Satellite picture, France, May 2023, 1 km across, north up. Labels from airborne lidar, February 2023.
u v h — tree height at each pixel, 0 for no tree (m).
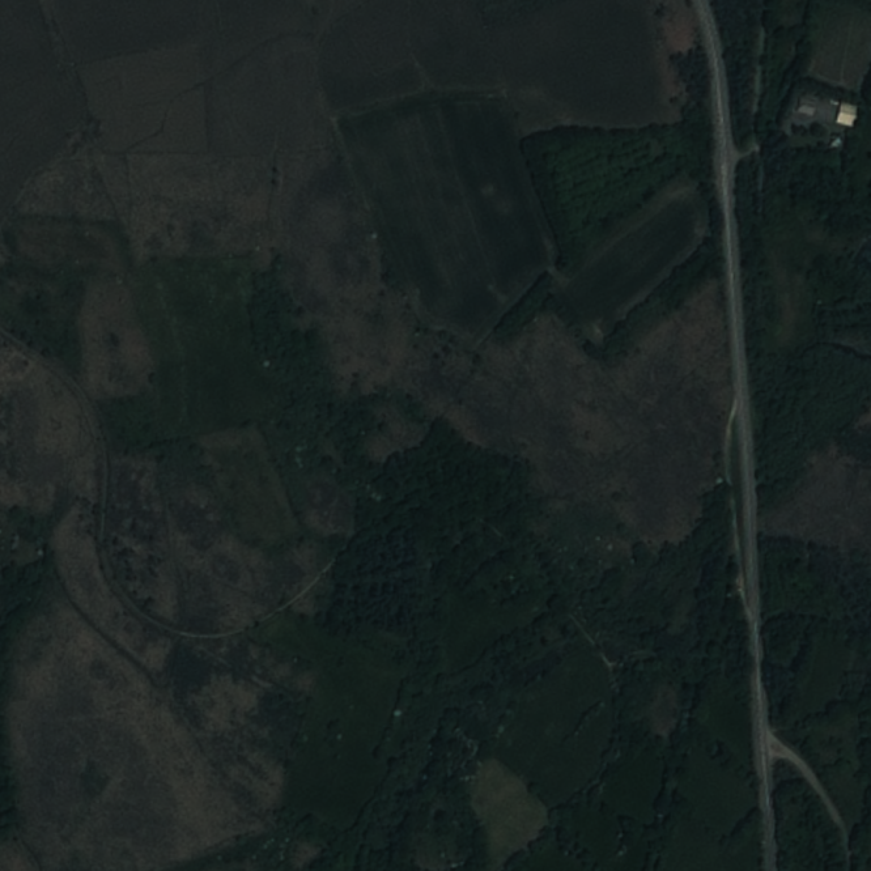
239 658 0
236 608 0
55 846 0
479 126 0
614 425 0
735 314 0
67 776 0
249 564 0
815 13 9
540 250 0
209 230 0
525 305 12
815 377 6
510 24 0
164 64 0
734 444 0
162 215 0
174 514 0
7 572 12
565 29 0
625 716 11
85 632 0
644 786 0
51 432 0
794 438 7
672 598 0
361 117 0
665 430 0
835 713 18
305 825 10
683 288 5
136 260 0
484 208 0
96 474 0
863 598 10
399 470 21
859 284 8
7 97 0
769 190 11
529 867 10
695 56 9
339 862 14
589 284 0
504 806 0
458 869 10
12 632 11
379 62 0
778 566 9
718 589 18
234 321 0
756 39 9
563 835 17
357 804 0
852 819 0
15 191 0
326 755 0
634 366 0
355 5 0
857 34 0
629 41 0
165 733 0
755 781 16
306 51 0
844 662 0
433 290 0
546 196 16
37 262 0
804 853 14
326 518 0
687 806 14
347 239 0
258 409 0
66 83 0
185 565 0
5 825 8
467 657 0
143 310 0
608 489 0
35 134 0
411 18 0
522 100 0
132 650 0
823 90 24
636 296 0
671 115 0
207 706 0
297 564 0
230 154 0
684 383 0
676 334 0
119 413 0
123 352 0
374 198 0
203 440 0
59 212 0
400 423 0
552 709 0
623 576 11
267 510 0
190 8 0
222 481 0
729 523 8
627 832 9
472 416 0
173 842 0
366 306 0
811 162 17
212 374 0
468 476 17
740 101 18
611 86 0
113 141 0
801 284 0
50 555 7
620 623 7
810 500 0
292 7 0
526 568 17
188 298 0
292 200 0
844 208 14
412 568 21
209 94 0
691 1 10
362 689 0
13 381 0
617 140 13
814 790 10
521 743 0
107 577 0
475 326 0
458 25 0
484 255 0
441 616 14
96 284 0
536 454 0
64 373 0
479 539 7
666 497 0
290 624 0
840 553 9
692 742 14
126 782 0
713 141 14
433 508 14
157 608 0
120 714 0
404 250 0
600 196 13
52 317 0
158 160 0
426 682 9
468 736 9
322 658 0
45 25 0
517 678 17
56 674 0
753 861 0
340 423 11
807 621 12
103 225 0
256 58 0
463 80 0
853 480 0
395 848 19
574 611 6
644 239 0
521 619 0
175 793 0
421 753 6
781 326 0
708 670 13
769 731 0
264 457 0
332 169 0
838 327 7
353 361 0
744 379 0
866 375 6
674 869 0
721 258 11
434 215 0
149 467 0
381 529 14
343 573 12
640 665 8
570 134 14
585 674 0
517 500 9
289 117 0
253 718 0
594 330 0
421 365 0
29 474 0
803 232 0
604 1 0
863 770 6
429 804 9
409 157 0
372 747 0
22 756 0
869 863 16
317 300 0
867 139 0
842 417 7
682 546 8
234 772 0
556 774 0
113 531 0
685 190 0
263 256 0
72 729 0
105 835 0
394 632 13
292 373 6
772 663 7
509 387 0
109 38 0
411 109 0
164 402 0
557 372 0
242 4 0
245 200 0
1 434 0
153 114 0
